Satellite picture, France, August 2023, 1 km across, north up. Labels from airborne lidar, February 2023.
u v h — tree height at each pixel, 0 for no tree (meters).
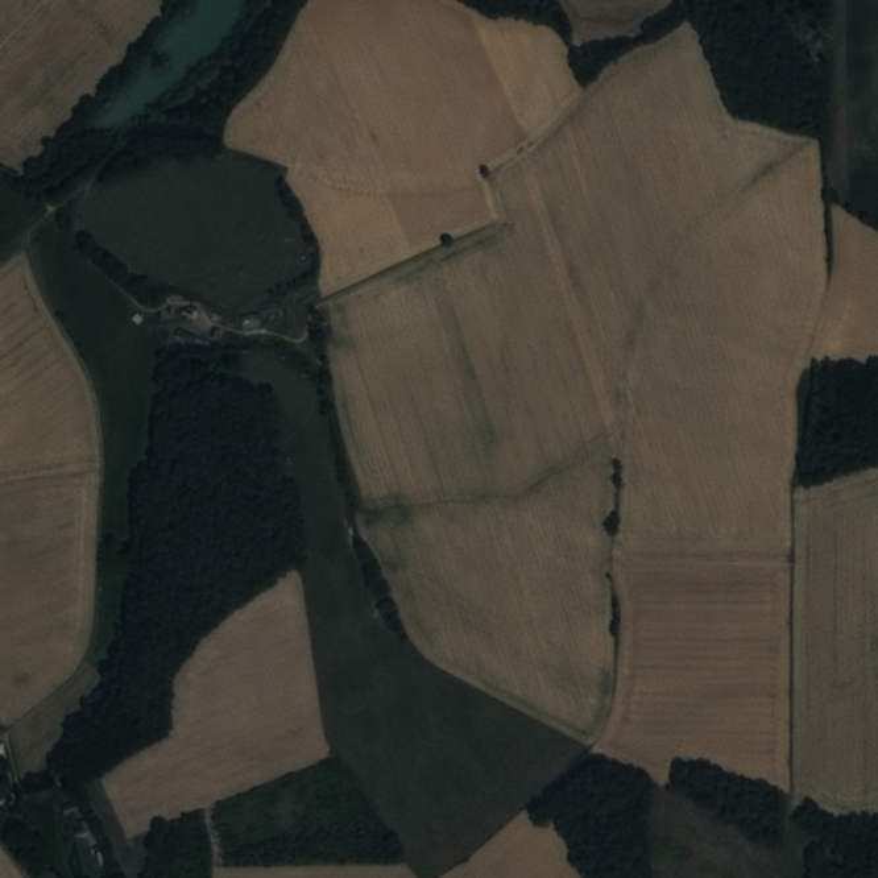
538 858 0
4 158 0
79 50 0
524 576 0
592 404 0
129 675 20
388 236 0
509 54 0
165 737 16
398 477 0
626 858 20
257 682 0
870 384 17
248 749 0
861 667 0
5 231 0
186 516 27
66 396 0
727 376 0
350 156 0
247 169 0
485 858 0
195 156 14
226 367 9
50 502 0
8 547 0
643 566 0
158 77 0
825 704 0
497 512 0
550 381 0
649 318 0
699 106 0
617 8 0
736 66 18
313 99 0
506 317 0
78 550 0
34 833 9
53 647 0
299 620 0
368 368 0
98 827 14
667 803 0
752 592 0
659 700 0
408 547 0
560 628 0
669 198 0
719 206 0
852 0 0
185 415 21
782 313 0
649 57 0
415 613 0
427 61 0
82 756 14
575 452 0
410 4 0
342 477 7
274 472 22
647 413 0
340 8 0
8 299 0
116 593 0
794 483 0
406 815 0
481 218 0
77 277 0
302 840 6
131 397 0
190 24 0
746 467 0
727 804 13
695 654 0
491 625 0
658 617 0
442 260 0
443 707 0
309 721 0
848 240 0
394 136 0
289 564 19
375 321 0
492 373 0
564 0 0
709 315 0
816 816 13
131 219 0
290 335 0
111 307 0
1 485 0
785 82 22
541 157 0
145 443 0
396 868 0
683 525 0
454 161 0
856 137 0
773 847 7
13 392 0
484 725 0
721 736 0
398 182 0
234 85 19
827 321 0
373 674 0
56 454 0
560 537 0
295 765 0
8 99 0
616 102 0
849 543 0
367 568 12
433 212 0
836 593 0
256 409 25
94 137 12
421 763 0
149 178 0
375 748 0
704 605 0
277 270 0
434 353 0
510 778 0
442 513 0
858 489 0
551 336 0
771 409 0
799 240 0
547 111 0
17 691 0
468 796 0
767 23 19
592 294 0
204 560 25
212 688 0
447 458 0
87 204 0
